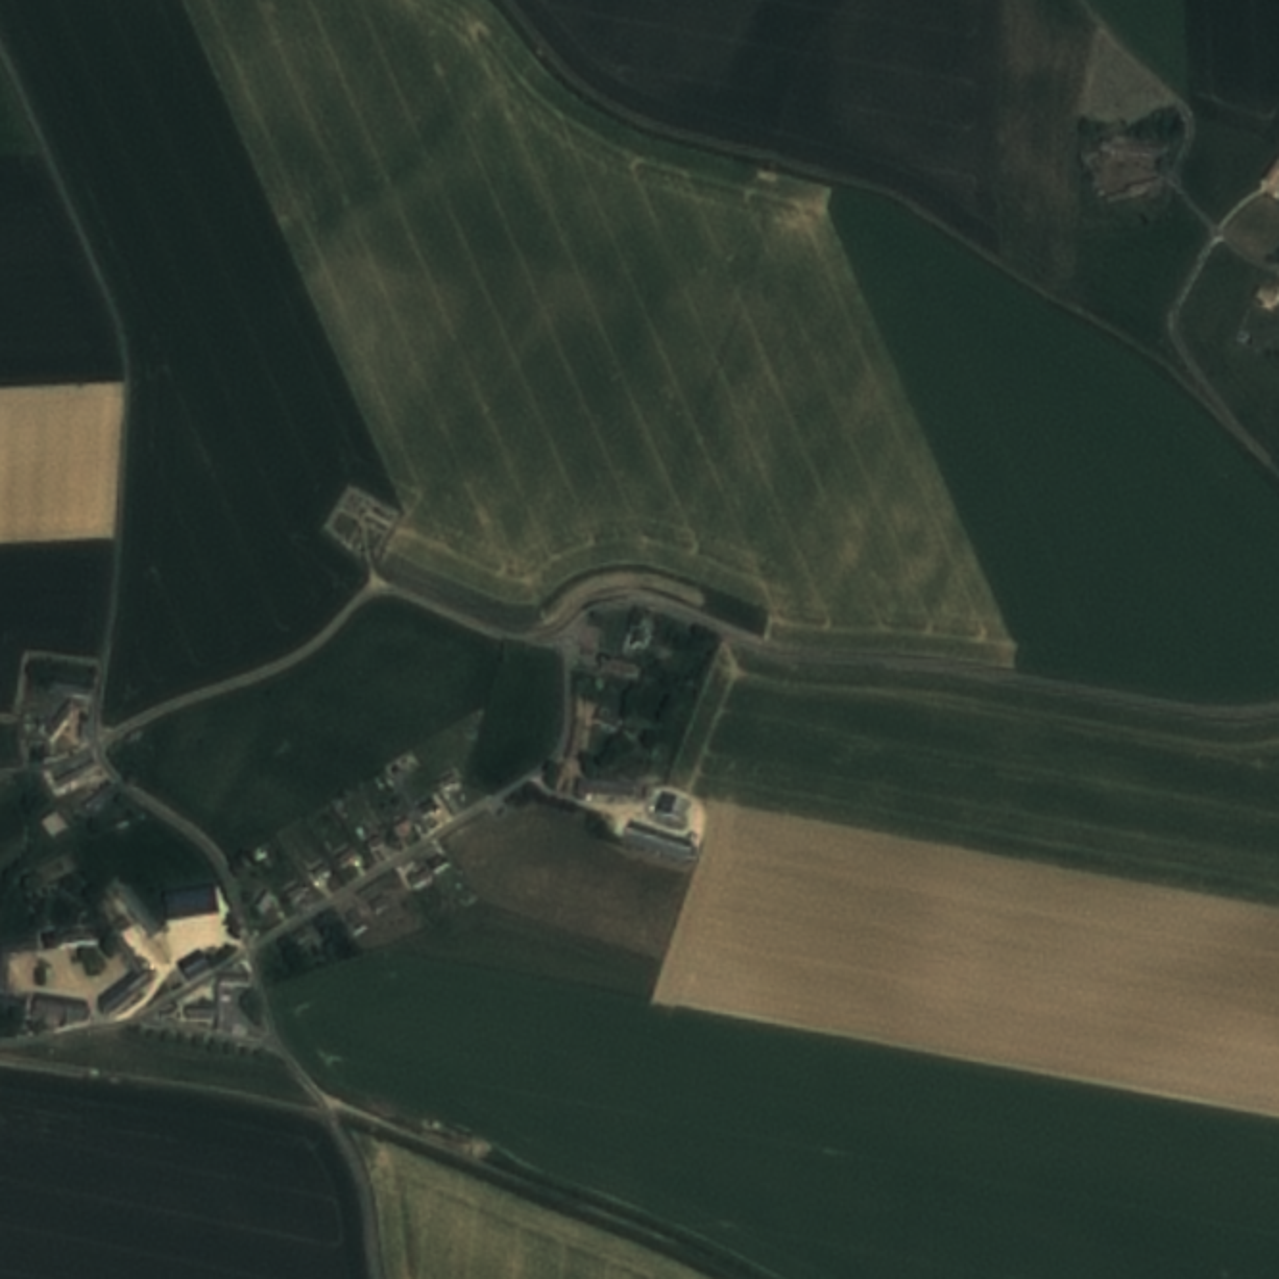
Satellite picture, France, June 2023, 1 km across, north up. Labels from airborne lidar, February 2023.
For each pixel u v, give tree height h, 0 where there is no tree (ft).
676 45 0
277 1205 0
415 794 0
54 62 0
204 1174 0
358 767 0
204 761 0
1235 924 0
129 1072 0
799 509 0
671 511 0
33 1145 0
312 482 0
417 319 0
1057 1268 0
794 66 0
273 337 0
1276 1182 0
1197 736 0
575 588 0
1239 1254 0
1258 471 0
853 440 0
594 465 0
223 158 0
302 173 0
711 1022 0
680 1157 0
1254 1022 0
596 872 0
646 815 0
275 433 0
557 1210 0
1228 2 0
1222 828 0
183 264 0
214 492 0
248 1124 0
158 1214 0
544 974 0
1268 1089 0
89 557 0
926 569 0
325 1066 0
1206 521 0
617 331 0
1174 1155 0
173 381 0
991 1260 0
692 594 0
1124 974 0
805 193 0
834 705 0
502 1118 0
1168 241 0
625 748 40
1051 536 0
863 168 0
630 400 0
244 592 0
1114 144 0
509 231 0
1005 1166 0
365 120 0
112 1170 0
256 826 0
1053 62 0
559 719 0
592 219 0
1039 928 0
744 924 0
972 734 0
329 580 0
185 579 0
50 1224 0
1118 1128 0
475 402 0
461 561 0
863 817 0
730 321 0
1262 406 0
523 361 0
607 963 0
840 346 0
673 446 0
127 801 26
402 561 0
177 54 0
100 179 0
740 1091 0
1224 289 0
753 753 0
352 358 0
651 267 0
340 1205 0
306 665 0
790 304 0
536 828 0
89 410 0
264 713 0
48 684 20
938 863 0
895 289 0
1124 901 0
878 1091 0
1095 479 0
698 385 0
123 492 0
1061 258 0
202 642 0
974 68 0
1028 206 0
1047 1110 0
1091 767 0
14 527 0
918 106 0
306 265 0
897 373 0
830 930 0
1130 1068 0
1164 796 0
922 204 0
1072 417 0
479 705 0
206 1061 0
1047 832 0
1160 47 0
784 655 0
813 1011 0
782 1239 0
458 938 0
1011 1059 0
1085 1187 0
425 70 0
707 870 0
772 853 0
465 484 0
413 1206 0
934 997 0
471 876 0
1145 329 0
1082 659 0
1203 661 0
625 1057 0
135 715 0
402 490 0
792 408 0
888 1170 0
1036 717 0
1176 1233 0
